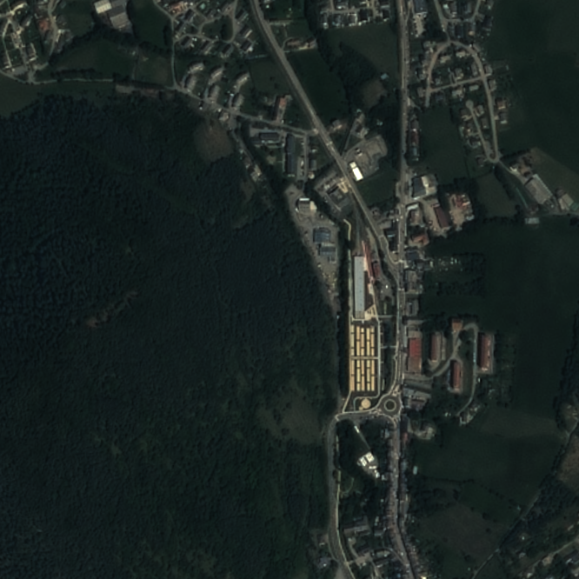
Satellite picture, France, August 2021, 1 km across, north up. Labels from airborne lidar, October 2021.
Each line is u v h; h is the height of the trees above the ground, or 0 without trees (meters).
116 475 13
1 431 27
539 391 0
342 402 0
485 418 0
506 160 7
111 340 16
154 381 14
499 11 0
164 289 17
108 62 0
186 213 11
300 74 6
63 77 19
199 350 16
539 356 0
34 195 20
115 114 10
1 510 14
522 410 0
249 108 0
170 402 14
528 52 0
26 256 12
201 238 13
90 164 21
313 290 14
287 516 11
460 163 0
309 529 13
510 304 0
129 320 19
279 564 12
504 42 0
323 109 0
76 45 17
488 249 0
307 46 0
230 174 16
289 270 17
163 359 16
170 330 16
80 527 14
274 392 10
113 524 13
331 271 0
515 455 0
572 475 0
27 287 28
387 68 0
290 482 8
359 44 0
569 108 0
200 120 7
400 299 0
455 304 0
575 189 0
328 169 7
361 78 7
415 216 0
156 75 0
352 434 10
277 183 13
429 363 7
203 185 16
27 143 23
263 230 18
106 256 23
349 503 16
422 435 0
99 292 18
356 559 0
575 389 18
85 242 24
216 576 8
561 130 0
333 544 0
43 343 19
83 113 16
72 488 18
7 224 20
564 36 0
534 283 0
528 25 0
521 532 16
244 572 8
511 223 14
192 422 14
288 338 13
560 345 0
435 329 11
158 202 17
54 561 12
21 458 18
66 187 18
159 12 0
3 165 24
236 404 11
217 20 8
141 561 9
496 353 10
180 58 8
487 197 0
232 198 13
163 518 14
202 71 0
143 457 12
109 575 16
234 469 13
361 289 0
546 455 0
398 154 6
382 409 0
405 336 0
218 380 14
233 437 14
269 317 17
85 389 18
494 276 0
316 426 0
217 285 12
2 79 0
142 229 19
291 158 0
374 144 0
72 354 15
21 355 27
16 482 13
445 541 8
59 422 19
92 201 19
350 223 0
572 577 14
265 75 0
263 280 18
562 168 0
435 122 0
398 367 0
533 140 0
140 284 16
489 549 0
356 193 0
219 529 19
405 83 0
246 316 15
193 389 11
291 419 0
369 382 0
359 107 11
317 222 0
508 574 9
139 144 17
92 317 21
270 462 9
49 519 12
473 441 0
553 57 0
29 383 27
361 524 0
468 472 0
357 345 0
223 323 15
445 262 0
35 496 15
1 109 0
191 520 9
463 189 12
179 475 9
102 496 13
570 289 0
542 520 19
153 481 11
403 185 0
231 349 8
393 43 0
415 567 0
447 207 17
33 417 17
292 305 13
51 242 15
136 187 19
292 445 12
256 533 23
